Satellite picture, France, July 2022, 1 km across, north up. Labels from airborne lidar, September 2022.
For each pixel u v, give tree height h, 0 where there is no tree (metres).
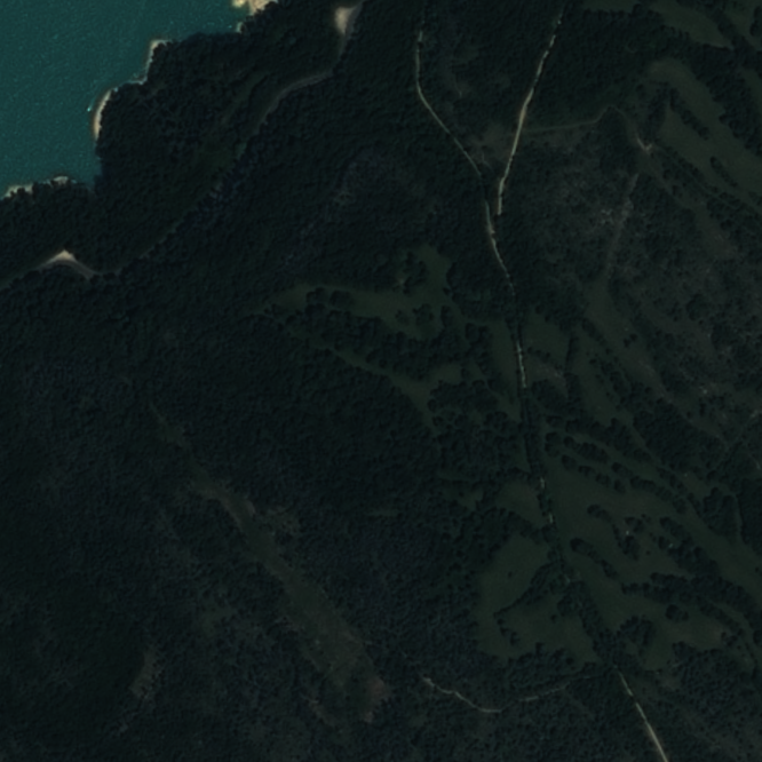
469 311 12
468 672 16
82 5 0
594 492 0
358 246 19
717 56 22
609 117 6
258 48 23
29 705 11
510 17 17
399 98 11
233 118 8
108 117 13
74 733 12
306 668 9
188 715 12
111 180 17
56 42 0
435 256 0
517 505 0
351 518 17
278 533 7
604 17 22
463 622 14
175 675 11
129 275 19
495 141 0
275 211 19
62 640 10
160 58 10
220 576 13
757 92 0
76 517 13
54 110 0
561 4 14
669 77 0
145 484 23
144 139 11
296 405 15
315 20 17
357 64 15
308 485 18
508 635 16
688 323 0
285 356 13
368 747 7
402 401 14
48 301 24
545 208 7
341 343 21
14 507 15
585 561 0
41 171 0
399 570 18
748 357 10
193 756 8
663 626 0
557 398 11
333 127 17
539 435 13
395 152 20
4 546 15
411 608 10
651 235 6
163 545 10
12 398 14
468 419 14
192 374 13
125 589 6
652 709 6
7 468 11
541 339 0
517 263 12
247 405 13
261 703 12
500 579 0
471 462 22
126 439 21
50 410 12
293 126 17
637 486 18
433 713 7
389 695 0
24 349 16
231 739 9
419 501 22
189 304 18
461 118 9
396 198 16
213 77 14
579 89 6
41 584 15
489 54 11
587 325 11
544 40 14
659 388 0
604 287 0
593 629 17
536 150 7
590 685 12
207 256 23
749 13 0
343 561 22
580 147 6
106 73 0
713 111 0
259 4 0
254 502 17
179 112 26
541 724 11
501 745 10
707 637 0
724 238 0
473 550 6
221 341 19
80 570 9
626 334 0
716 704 12
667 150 7
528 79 9
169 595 10
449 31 10
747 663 0
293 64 21
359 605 16
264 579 18
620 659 12
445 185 18
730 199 9
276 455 19
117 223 9
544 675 20
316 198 19
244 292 12
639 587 15
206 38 23
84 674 6
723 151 0
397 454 20
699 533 0
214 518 7
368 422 16
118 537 13
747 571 0
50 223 9
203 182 10
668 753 12
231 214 20
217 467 10
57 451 7
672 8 0
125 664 12
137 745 8
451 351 15
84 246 14
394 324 0
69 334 19
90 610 20
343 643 0
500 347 0
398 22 12
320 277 18
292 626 23
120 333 20
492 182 14
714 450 18
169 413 15
